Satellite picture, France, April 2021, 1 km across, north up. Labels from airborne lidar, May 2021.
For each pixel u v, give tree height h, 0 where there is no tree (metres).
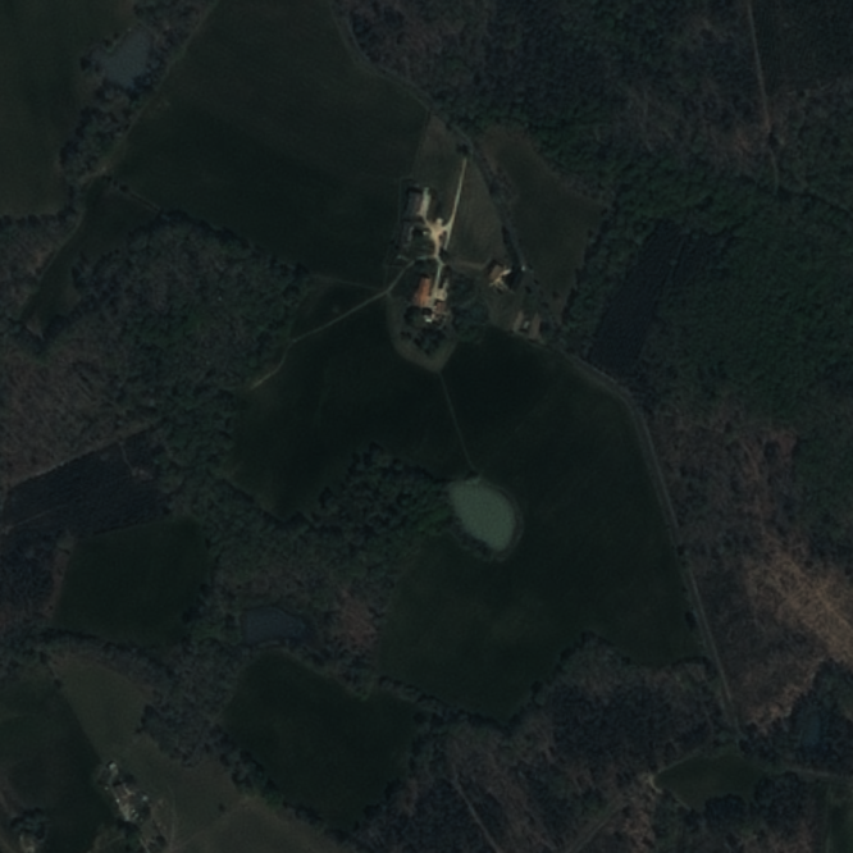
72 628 0
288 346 0
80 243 0
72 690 0
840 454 17
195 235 21
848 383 16
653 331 12
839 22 7
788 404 20
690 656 0
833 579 0
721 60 23
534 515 0
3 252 18
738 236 11
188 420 14
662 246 15
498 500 0
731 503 12
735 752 14
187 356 15
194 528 0
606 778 17
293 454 0
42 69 0
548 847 8
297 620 0
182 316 17
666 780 0
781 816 23
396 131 0
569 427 0
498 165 0
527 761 12
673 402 11
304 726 0
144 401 13
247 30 0
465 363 0
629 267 11
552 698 14
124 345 18
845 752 23
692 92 14
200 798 0
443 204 0
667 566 0
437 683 0
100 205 0
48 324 0
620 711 15
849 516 16
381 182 0
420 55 9
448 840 25
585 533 0
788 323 15
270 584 12
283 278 17
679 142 14
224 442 17
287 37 0
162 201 0
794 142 17
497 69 23
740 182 20
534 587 0
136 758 0
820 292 14
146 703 0
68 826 0
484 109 20
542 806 16
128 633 0
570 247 0
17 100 0
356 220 0
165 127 0
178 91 0
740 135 12
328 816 0
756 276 15
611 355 9
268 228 0
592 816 18
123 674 12
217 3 16
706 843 7
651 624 0
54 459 11
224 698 16
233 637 19
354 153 0
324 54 0
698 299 14
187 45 16
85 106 0
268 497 0
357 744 0
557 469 0
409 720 0
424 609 0
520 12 22
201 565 0
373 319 0
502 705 0
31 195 0
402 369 0
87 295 13
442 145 0
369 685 21
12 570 16
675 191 26
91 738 0
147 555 0
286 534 20
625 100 23
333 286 0
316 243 0
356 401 0
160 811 0
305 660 14
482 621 0
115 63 0
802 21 7
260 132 0
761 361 16
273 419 0
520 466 0
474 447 0
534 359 0
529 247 0
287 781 0
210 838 0
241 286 18
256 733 0
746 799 0
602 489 0
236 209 0
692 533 12
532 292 11
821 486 20
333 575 20
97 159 19
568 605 0
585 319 10
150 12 20
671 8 26
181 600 0
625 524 0
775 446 11
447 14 15
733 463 11
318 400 0
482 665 0
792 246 13
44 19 0
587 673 16
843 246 22
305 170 0
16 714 0
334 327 0
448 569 0
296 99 0
